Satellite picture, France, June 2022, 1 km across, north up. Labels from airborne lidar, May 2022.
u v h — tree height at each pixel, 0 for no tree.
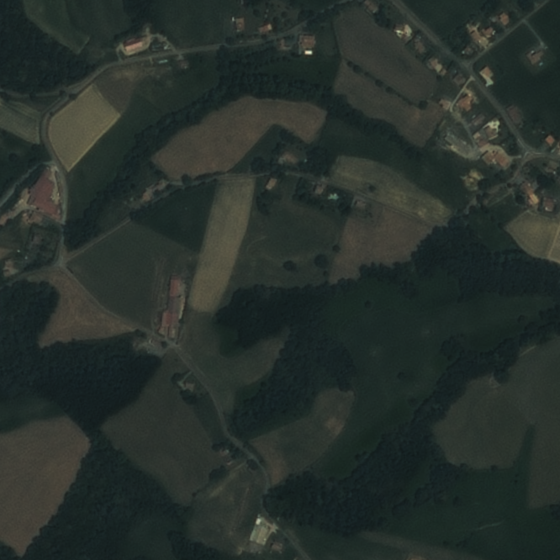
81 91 0
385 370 0
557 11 0
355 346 0
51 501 0
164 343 11
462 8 0
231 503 0
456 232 29
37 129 0
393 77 0
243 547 0
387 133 13
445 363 0
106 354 16
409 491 0
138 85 0
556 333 20
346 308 0
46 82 19
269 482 0
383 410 0
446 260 26
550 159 0
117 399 22
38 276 0
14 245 0
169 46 0
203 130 0
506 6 0
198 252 0
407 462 21
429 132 0
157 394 0
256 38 8
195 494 7
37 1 0
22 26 21
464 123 0
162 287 0
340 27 0
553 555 0
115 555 17
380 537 0
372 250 0
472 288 17
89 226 9
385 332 0
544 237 0
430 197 0
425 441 14
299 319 14
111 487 10
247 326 16
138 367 17
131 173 18
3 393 15
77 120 0
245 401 8
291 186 0
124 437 0
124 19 0
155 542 0
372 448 0
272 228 0
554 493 0
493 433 0
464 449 0
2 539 0
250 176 0
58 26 0
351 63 10
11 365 21
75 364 20
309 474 13
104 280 0
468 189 0
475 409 0
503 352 20
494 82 0
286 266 14
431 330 0
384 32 0
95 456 19
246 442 7
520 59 0
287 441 0
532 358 0
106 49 0
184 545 22
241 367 0
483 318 0
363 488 19
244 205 0
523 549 0
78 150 0
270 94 8
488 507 0
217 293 0
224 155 0
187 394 9
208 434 0
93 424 22
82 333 0
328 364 19
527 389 0
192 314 0
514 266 28
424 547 0
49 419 0
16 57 21
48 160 0
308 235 0
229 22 0
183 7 0
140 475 15
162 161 0
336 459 0
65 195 0
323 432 0
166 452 0
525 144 0
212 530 0
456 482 6
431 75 0
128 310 0
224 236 0
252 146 0
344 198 9
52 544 14
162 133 22
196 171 0
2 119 0
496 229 0
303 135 0
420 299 0
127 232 0
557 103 0
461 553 0
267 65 8
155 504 14
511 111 0
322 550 0
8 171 0
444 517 0
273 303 17
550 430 0
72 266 0
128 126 0
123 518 16
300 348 22
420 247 18
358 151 0
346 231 0
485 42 0
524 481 0
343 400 0
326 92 13
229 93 17
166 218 0
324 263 20
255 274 0
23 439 0
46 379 26
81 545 27
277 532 0
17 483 0
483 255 16
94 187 0
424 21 0
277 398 26
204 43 0
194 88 0
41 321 12
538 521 0
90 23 0
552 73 0
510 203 0
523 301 0
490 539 0
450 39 7
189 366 0
